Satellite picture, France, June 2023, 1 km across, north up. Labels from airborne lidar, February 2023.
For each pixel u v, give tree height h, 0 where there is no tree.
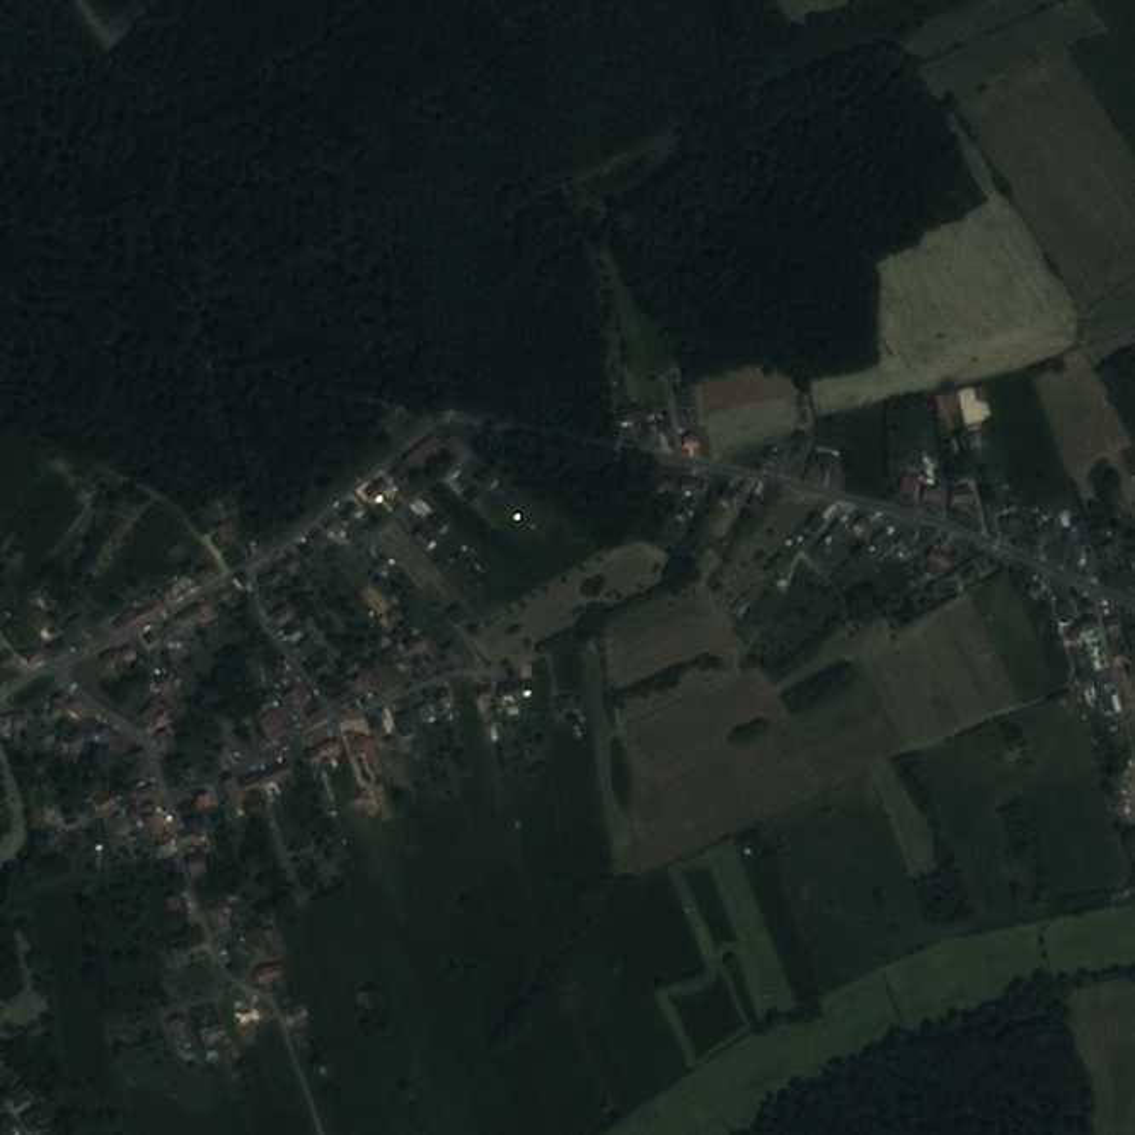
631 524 19
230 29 25
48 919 0
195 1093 0
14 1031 10
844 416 0
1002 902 0
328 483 22
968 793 0
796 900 0
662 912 0
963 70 0
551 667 0
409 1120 0
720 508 0
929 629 0
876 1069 23
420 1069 0
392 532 0
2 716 0
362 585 0
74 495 0
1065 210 0
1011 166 0
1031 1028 18
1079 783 0
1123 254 0
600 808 0
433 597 0
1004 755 0
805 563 0
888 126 23
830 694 5
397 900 0
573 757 0
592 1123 0
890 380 0
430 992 0
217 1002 0
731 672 0
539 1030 0
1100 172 0
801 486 0
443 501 7
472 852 0
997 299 0
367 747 0
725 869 0
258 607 0
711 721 0
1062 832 0
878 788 0
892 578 0
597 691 0
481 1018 0
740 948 0
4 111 27
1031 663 0
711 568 0
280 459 24
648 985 0
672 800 0
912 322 0
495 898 0
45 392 23
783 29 16
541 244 36
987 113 0
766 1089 0
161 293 27
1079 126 0
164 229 30
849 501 0
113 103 26
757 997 0
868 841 0
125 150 32
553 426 15
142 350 26
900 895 0
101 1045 0
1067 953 0
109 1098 0
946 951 0
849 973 0
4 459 0
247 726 8
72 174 28
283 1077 0
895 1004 0
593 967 0
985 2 0
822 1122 26
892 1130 29
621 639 0
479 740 0
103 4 0
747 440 0
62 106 28
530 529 0
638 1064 0
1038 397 0
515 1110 0
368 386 23
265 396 27
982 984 0
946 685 0
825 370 16
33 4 20
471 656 0
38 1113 8
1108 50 0
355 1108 0
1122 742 0
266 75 22
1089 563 0
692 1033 0
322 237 27
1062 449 0
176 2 19
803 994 0
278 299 29
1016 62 0
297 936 0
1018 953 0
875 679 0
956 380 0
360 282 30
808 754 0
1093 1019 0
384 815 0
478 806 0
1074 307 0
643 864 0
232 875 9
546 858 0
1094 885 0
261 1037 0
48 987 17
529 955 0
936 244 0
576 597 0
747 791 0
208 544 0
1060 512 0
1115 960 0
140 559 0
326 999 0
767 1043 0
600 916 0
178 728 7
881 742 0
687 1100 0
